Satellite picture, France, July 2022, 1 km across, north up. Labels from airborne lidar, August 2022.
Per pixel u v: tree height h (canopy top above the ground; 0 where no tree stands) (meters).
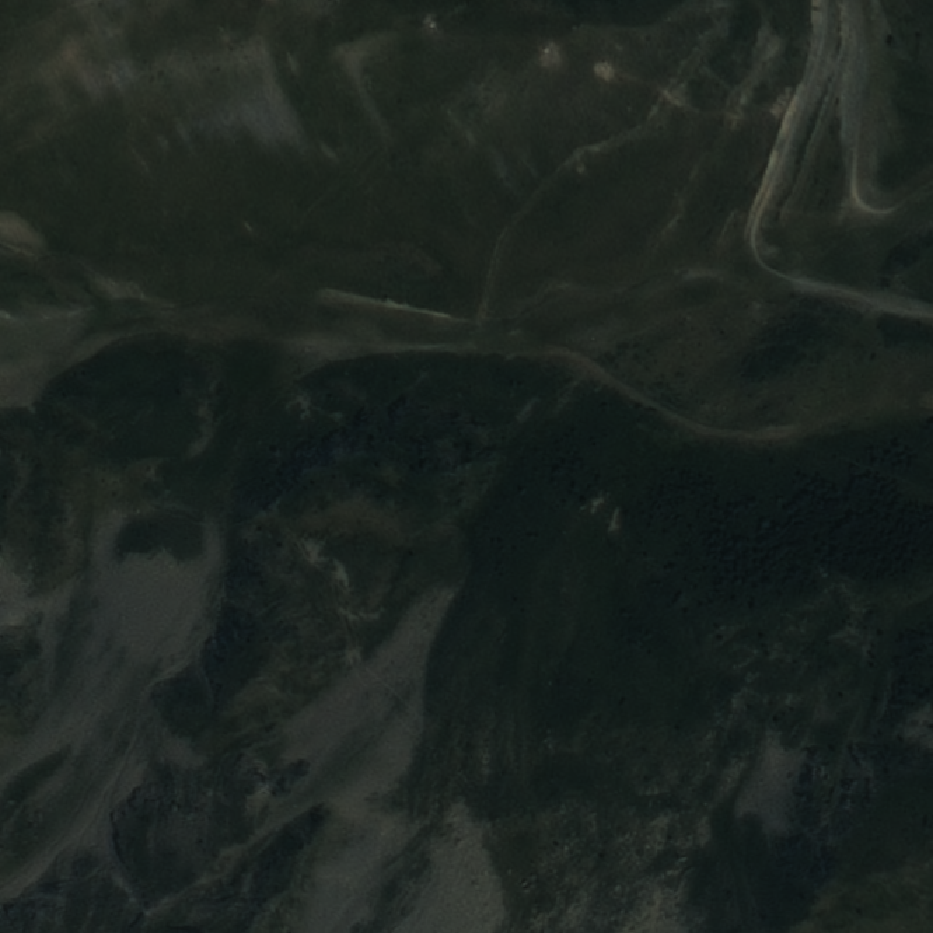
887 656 0
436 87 0
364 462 0
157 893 0
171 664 0
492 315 0
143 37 0
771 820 0
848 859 0
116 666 0
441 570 0
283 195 0
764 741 0
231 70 0
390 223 0
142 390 0
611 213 0
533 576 0
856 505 10
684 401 0
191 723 0
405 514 0
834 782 0
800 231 0
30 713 0
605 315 0
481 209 0
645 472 0
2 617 0
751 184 0
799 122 0
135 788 0
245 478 0
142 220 0
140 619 0
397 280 0
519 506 0
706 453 0
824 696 0
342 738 0
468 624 0
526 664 0
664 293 0
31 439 0
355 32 0
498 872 0
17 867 0
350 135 0
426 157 0
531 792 0
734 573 8
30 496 0
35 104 0
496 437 0
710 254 0
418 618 0
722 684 0
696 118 0
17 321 0
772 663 0
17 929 0
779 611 0
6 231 0
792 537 10
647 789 0
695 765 0
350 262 0
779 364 0
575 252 0
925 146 0
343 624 0
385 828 0
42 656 0
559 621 0
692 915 0
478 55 0
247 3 0
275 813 0
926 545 10
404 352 0
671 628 0
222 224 0
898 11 0
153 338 0
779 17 0
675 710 0
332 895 0
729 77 0
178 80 0
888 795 0
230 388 0
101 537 0
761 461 0
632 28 0
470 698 0
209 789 0
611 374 0
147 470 0
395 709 0
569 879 0
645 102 0
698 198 0
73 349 0
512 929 0
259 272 0
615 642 0
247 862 0
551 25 0
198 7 0
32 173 0
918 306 0
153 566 0
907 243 0
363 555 0
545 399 0
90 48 0
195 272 0
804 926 0
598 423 0
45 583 0
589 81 0
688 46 0
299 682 0
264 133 0
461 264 0
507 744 0
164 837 0
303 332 0
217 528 0
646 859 0
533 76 0
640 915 0
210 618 0
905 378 0
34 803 0
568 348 0
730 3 0
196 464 0
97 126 0
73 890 0
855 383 0
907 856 0
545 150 0
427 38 0
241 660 0
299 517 0
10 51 0
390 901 0
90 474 0
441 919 0
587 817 0
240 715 0
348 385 0
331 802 0
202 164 0
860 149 0
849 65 0
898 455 7
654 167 0
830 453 0
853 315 0
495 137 0
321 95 0
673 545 0
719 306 0
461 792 0
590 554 0
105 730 0
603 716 0
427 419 8
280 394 0
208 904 0
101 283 0
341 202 0
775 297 0
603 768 0
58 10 0
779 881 0
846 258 0
